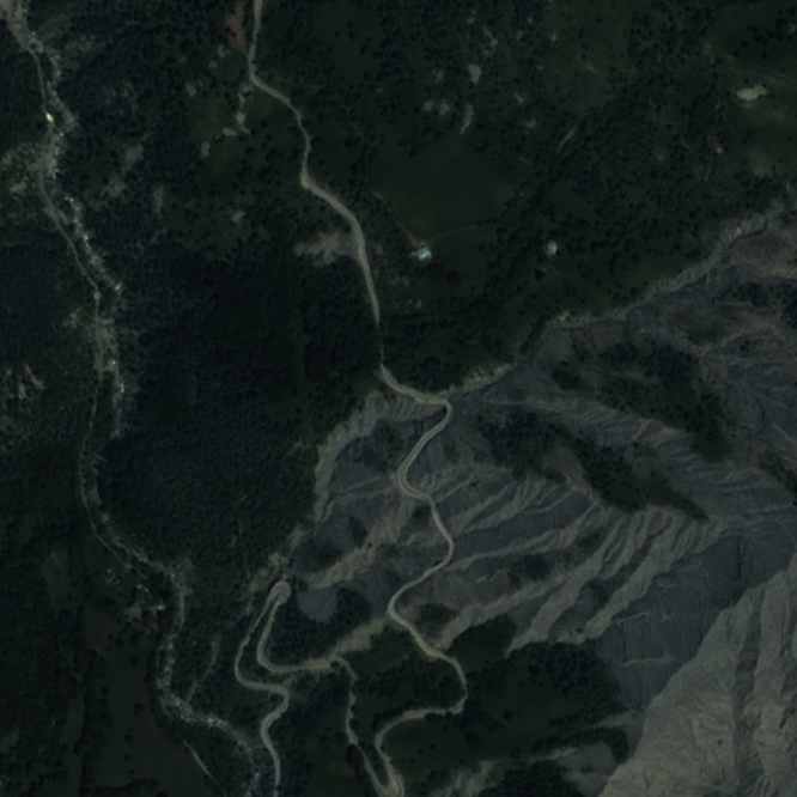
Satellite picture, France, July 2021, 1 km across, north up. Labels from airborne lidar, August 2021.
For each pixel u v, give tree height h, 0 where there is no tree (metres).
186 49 15
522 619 0
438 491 0
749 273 0
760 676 0
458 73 12
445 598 0
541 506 0
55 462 11
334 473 0
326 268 6
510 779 16
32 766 18
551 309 8
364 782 11
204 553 9
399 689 12
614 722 0
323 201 12
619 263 10
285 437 10
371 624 0
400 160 0
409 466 0
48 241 20
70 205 14
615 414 0
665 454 0
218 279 21
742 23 0
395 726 0
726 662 0
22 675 12
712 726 0
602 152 8
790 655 0
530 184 7
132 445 16
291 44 8
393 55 11
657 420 0
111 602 15
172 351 18
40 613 14
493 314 13
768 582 0
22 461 16
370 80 11
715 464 0
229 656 9
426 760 0
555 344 0
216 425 18
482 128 13
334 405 7
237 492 9
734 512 0
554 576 0
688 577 0
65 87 9
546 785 12
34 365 11
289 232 14
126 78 7
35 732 11
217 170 0
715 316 0
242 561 10
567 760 0
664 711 0
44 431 8
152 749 0
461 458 0
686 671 0
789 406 0
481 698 10
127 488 27
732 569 0
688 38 6
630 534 0
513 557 0
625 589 0
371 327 24
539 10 6
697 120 8
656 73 7
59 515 12
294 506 6
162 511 11
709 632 0
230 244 0
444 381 11
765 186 11
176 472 7
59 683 14
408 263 12
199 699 6
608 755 0
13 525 10
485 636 15
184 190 10
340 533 0
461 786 0
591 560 0
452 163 0
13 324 20
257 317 24
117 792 18
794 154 0
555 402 0
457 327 14
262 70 6
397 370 7
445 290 0
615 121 10
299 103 11
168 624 14
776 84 0
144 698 0
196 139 0
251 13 9
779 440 0
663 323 0
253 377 14
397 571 0
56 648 15
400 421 0
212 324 23
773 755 0
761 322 0
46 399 18
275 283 15
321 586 0
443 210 0
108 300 10
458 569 0
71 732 0
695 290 0
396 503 0
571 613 0
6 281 14
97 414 9
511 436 6
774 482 0
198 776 0
